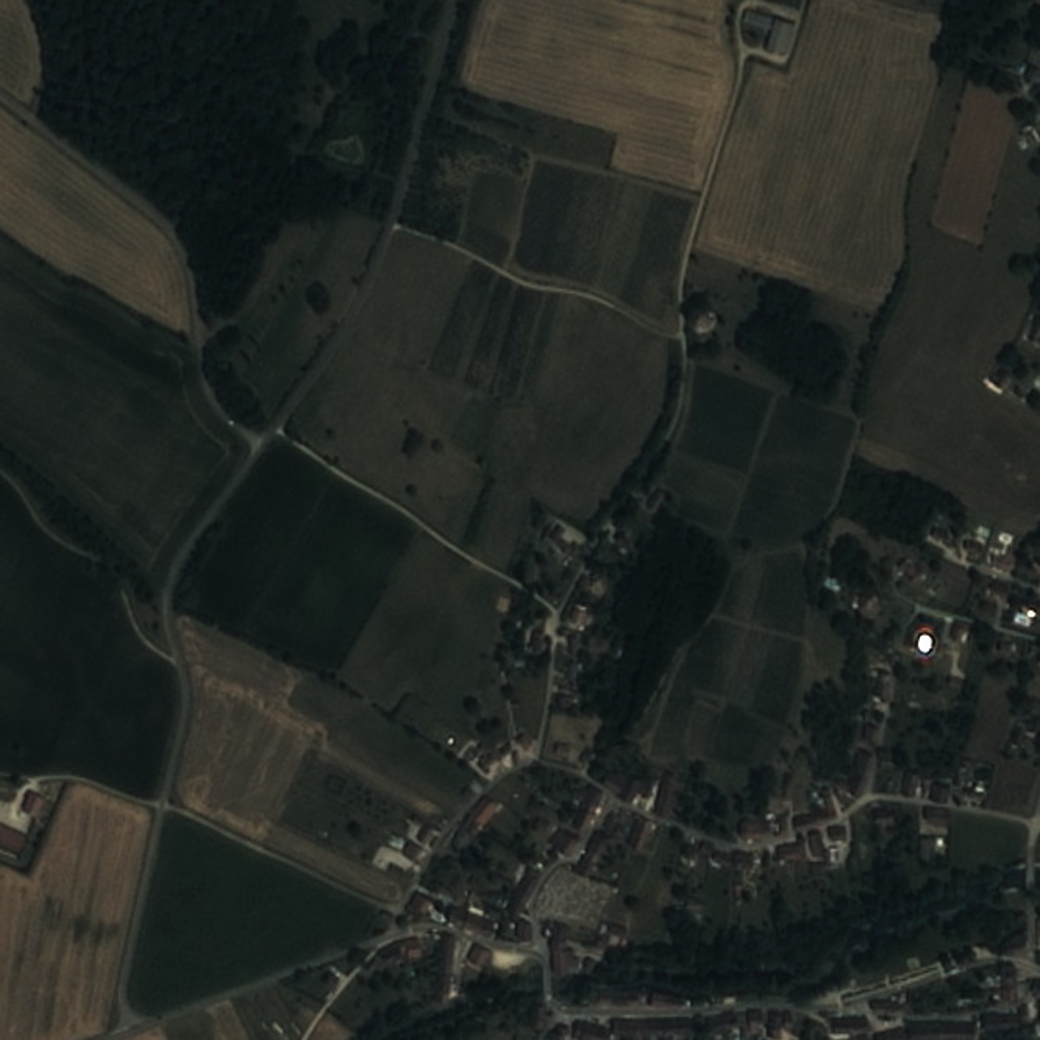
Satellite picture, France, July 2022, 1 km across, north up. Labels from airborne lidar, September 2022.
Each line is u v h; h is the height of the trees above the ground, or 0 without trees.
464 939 0
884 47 0
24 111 0
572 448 0
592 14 0
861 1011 0
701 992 13
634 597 14
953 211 0
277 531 0
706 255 0
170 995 0
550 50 0
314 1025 0
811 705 15
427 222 10
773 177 0
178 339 11
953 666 0
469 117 12
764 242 0
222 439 0
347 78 11
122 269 0
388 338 0
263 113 23
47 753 0
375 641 0
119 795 0
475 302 0
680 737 0
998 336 0
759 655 0
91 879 0
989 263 0
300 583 0
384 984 7
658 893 0
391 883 0
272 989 0
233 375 22
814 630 0
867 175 0
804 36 0
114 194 0
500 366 0
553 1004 0
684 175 0
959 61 13
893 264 0
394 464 0
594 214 0
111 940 0
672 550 18
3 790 0
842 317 0
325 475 0
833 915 14
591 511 0
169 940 0
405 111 12
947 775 8
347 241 0
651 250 0
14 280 0
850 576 12
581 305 0
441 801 0
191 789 0
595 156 0
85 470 0
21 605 0
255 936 0
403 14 6
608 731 11
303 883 0
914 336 0
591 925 0
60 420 0
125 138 28
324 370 0
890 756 7
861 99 0
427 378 0
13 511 0
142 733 0
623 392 0
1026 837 0
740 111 0
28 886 0
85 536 11
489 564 0
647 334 0
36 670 0
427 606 0
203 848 0
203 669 0
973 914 15
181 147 25
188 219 16
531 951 0
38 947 0
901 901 14
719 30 0
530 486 0
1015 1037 10
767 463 0
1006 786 0
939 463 0
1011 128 0
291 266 0
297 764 0
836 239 0
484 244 0
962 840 0
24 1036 0
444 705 0
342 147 0
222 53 22
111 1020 0
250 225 23
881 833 9
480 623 0
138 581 8
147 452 0
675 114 0
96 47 24
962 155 0
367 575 0
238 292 11
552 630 0
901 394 0
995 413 0
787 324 27
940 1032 0
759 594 0
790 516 0
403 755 0
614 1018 0
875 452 0
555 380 0
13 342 0
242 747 0
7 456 7
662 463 17
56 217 0
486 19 0
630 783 0
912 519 10
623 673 15
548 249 0
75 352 0
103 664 0
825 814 0
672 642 14
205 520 0
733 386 0
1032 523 0
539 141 0
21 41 0
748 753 0
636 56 0
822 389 26
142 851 0
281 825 0
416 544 0
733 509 0
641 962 14
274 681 0
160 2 27
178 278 0
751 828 0
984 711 0
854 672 9
